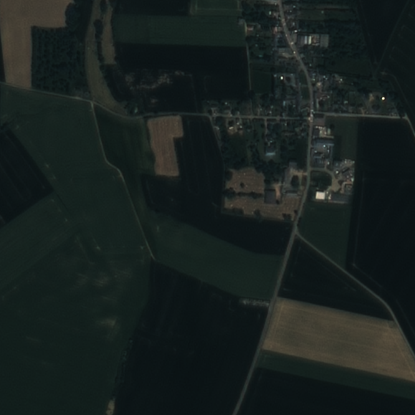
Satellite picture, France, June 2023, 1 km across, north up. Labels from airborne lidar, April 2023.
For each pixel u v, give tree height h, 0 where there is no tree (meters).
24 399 0
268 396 0
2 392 0
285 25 0
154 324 0
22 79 0
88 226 0
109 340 0
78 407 0
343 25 15
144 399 0
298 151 0
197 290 0
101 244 0
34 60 13
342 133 0
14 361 0
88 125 0
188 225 0
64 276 0
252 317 0
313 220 0
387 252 0
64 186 0
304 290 0
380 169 0
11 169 0
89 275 0
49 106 0
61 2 0
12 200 0
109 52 0
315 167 0
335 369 0
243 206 0
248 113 0
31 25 0
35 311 0
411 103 0
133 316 0
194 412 0
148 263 0
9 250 0
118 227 0
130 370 0
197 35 0
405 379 0
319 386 0
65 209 0
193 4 0
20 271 0
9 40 0
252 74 0
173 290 0
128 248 0
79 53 13
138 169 0
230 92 0
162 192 0
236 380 0
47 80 7
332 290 0
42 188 0
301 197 0
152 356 0
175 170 0
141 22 0
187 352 0
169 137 0
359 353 0
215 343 0
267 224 0
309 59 0
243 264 0
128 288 0
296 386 0
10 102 0
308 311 0
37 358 0
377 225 0
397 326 0
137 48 0
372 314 0
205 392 0
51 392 0
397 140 0
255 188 0
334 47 9
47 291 0
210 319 0
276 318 0
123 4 0
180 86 0
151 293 0
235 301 0
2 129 10
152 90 0
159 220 0
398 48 0
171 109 0
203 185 0
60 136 0
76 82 0
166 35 0
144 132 0
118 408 0
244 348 0
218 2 0
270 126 10
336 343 0
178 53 0
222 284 0
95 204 0
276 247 0
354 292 0
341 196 0
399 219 0
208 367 0
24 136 0
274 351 0
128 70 0
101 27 14
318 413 0
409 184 0
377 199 0
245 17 16
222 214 0
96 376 0
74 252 0
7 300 0
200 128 0
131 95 0
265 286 0
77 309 0
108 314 0
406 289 0
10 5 0
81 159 0
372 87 0
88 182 0
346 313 0
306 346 0
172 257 0
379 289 0
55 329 0
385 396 0
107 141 0
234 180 0
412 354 0
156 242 0
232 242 0
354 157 0
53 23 0
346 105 0
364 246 0
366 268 0
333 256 0
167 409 0
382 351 0
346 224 0
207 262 0
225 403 0
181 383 0
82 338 0
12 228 0
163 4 0
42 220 0
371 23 0
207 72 0
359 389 0
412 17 0
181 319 0
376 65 0
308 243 0
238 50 0
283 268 0
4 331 0
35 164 0
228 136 8
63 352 0
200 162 0
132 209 0
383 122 0
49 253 0
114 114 0
